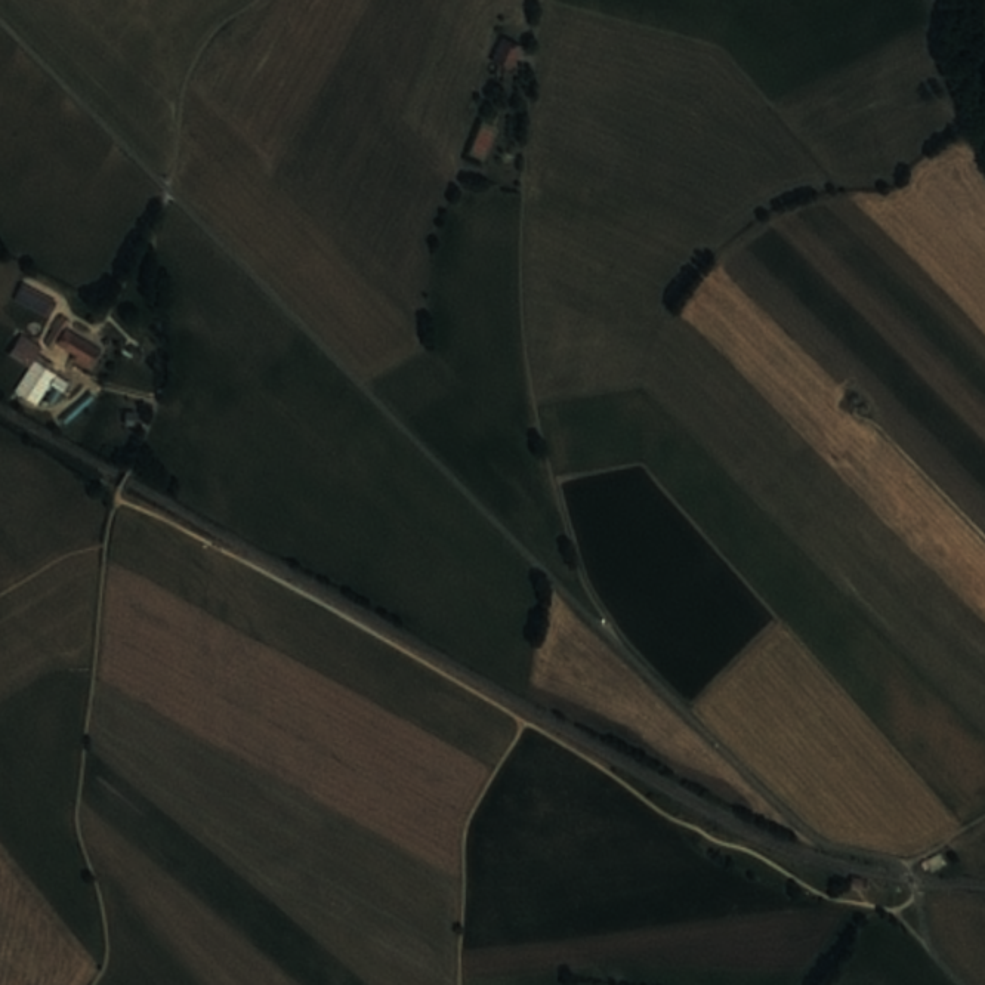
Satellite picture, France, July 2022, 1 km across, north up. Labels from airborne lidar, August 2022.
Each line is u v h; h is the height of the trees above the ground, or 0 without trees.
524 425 0
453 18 0
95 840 0
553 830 0
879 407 0
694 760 0
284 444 0
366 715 0
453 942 0
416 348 0
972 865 0
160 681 0
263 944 0
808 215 0
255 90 0
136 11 0
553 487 0
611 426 0
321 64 0
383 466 0
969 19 29
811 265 0
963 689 0
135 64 0
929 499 0
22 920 0
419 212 0
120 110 0
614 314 0
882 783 0
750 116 0
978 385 0
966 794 0
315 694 0
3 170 0
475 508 0
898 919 13
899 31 0
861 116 0
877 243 0
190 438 0
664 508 0
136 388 0
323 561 0
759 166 0
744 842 0
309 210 0
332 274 0
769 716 0
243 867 0
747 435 0
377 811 0
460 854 0
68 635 0
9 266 0
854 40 0
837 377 0
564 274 0
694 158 0
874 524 0
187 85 0
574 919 0
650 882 0
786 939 0
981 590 0
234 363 0
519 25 0
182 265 0
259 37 0
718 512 0
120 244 0
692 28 0
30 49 0
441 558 0
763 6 0
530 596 0
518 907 0
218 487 0
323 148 0
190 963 0
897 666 0
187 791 0
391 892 0
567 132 0
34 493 0
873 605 0
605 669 0
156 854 0
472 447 0
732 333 0
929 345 0
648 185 0
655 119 0
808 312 0
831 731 0
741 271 0
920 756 0
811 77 0
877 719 0
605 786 0
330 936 0
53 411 0
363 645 0
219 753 0
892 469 0
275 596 0
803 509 0
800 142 0
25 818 0
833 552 0
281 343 0
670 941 0
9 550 0
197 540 0
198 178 0
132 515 0
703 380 0
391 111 0
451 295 0
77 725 0
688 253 0
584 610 0
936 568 0
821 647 0
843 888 12
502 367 0
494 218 0
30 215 0
